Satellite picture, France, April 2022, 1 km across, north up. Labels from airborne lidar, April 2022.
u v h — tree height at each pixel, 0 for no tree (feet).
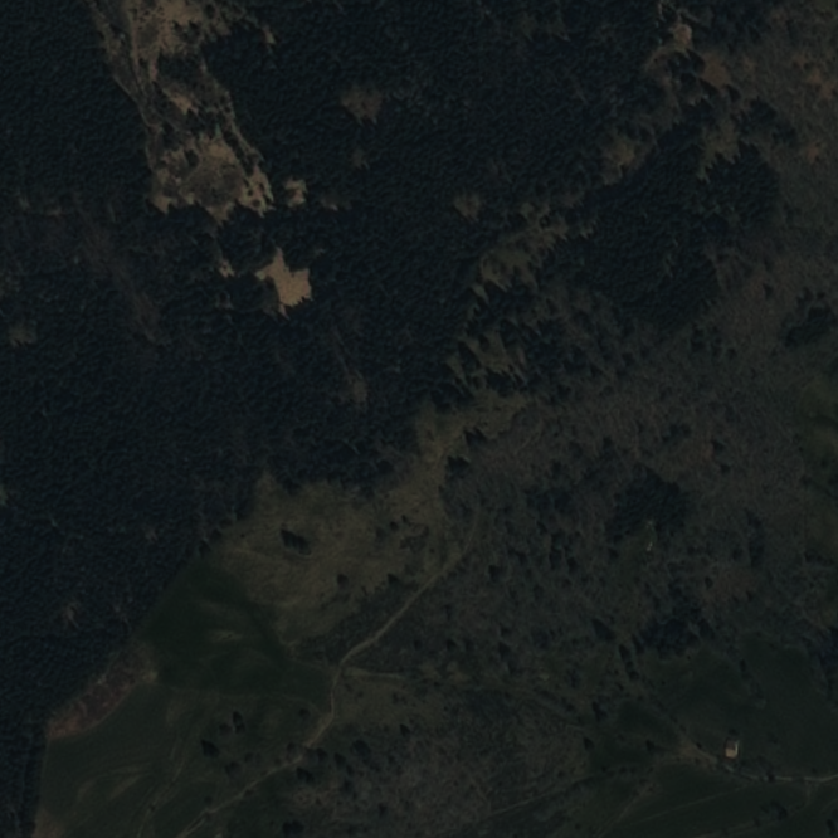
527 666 48
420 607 0
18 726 33
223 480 78
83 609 50
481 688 43
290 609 0
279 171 84
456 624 48
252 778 0
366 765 32
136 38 0
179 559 73
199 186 0
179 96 0
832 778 0
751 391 57
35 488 73
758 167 102
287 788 0
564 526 50
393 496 0
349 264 72
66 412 73
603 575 72
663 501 87
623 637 0
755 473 51
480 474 51
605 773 26
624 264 82
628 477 100
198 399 72
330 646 0
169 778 0
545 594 64
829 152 25
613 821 0
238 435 83
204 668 0
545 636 74
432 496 0
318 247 49
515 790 0
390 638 0
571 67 64
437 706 0
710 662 0
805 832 0
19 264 65
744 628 70
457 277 59
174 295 82
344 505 0
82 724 0
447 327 64
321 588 0
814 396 0
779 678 0
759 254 51
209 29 0
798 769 0
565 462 51
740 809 0
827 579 37
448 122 94
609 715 55
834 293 50
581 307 48
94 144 79
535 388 62
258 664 0
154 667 0
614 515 97
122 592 81
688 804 0
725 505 69
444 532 0
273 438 63
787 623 43
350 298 73
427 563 0
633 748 0
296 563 0
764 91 33
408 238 70
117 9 0
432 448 0
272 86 56
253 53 65
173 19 0
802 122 59
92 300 86
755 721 0
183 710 0
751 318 66
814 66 19
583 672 65
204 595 0
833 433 0
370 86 66
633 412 53
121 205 63
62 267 68
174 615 0
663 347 73
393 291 91
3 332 83
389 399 75
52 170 89
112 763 0
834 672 93
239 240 54
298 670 0
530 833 0
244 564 0
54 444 87
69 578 75
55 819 0
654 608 58
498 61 98
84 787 0
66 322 84
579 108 73
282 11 62
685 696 0
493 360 0
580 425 52
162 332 63
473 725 0
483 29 86
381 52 88
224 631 0
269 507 0
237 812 0
